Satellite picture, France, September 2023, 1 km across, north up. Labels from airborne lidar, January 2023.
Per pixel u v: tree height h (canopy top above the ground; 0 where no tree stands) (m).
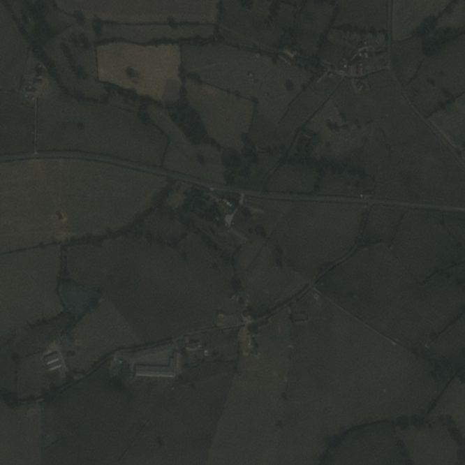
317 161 12
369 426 11
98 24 14
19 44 0
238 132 0
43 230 0
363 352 0
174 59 0
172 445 0
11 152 0
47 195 0
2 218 0
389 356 0
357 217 0
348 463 0
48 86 0
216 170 0
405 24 0
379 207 0
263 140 0
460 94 0
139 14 0
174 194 0
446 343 0
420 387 0
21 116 0
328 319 0
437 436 0
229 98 0
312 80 7
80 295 0
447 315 0
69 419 0
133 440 0
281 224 0
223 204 0
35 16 19
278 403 0
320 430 0
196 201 12
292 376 0
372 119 0
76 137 0
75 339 0
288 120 0
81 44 15
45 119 0
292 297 5
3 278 0
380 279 0
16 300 0
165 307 0
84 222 0
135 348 8
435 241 0
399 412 0
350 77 0
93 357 0
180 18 0
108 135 0
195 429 0
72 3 0
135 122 0
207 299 0
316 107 0
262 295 0
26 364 0
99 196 0
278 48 18
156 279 0
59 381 0
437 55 0
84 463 0
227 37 0
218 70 0
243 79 0
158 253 0
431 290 0
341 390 0
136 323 0
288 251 0
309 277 0
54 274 0
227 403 0
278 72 0
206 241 12
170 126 0
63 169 0
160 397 0
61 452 0
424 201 0
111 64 0
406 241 0
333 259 0
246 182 0
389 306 0
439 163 0
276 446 0
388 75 0
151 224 0
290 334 0
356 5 0
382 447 0
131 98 8
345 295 0
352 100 0
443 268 0
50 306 0
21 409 0
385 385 0
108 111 0
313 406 0
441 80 0
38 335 0
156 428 0
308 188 0
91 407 0
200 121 18
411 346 0
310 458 0
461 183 0
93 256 0
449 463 0
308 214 0
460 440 24
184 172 0
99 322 0
